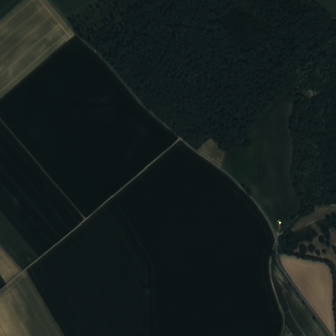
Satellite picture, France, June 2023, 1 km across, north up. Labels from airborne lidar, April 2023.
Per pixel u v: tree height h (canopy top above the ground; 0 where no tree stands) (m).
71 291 0
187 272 0
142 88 19
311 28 23
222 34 24
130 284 0
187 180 0
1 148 0
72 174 0
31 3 0
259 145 0
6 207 0
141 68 21
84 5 0
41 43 0
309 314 0
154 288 0
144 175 0
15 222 0
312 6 19
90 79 0
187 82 22
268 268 0
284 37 7
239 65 23
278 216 0
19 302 0
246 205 0
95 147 0
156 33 25
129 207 0
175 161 0
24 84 0
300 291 0
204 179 0
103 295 0
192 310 0
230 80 21
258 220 0
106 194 0
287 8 8
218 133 21
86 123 0
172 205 0
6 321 0
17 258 0
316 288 0
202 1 23
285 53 18
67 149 0
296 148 7
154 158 0
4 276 0
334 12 0
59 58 0
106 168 0
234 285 0
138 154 0
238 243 0
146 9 23
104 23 24
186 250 0
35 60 0
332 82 15
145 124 0
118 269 0
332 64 16
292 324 0
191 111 21
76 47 0
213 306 0
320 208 0
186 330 0
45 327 0
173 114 22
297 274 0
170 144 0
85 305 0
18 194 0
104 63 0
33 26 0
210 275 0
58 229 0
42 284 0
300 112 14
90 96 0
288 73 22
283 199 0
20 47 0
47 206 0
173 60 24
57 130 0
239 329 0
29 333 0
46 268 0
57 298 0
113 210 0
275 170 0
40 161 0
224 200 0
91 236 0
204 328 0
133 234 0
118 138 0
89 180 0
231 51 22
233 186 0
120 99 0
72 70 0
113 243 0
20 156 0
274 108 0
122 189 0
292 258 0
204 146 0
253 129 0
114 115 0
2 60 0
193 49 26
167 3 16
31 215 0
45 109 0
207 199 0
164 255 0
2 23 0
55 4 0
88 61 0
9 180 0
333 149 9
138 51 18
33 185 0
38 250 0
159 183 0
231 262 0
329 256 0
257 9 10
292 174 10
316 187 10
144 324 0
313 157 14
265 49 11
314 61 19
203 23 27
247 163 0
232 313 0
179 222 0
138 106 0
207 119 24
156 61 23
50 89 0
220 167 0
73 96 0
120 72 12
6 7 0
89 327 0
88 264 0
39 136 0
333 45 23
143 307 0
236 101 23
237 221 0
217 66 24
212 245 0
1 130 0
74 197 0
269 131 0
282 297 0
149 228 0
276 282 0
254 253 0
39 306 0
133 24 24
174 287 0
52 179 0
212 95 24
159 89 13
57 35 0
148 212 0
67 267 0
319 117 10
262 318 0
